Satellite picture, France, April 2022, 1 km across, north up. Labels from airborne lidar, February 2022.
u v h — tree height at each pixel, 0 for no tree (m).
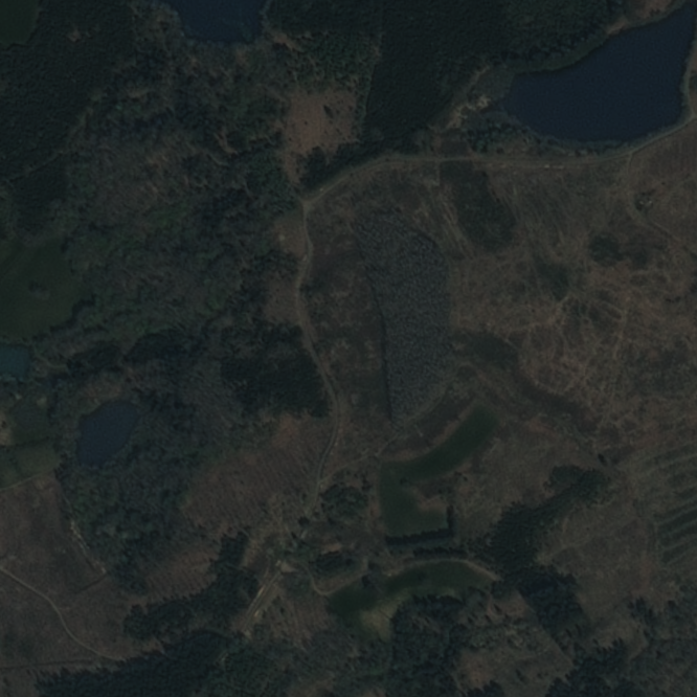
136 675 22
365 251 26
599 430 0
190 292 19
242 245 6
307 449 0
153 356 12
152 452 22
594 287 0
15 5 0
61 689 26
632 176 0
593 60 0
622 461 0
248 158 17
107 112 12
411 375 23
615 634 0
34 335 0
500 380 0
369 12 15
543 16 14
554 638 16
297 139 0
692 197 0
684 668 17
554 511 6
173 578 0
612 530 0
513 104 0
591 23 12
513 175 0
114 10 11
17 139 8
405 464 0
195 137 24
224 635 7
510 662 0
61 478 20
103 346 12
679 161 0
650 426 0
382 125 13
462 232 0
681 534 0
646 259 0
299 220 0
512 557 10
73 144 10
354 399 0
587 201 0
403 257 25
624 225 0
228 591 9
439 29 8
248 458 0
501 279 0
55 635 0
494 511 0
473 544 8
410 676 15
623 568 0
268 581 0
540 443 0
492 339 0
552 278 0
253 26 0
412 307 24
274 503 0
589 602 0
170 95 22
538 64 33
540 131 0
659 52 0
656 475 0
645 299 0
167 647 7
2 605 0
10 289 0
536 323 0
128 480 26
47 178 12
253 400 8
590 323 0
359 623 0
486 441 0
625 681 9
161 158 20
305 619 0
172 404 23
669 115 0
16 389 6
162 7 12
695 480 0
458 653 17
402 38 11
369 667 22
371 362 0
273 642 8
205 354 20
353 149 10
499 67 19
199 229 22
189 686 19
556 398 0
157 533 20
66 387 23
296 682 31
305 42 9
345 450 0
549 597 37
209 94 21
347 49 12
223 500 0
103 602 0
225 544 12
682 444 0
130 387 24
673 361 0
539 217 0
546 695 0
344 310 0
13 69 10
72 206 24
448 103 11
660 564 0
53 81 10
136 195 22
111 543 24
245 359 7
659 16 12
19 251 0
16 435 0
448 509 0
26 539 0
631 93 0
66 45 8
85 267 27
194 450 18
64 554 0
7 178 12
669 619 15
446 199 0
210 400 26
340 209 0
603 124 0
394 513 0
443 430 0
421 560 19
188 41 9
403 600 0
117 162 18
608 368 0
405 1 12
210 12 0
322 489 0
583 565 0
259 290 6
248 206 10
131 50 11
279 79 11
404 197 0
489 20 14
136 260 23
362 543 0
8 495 0
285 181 22
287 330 11
